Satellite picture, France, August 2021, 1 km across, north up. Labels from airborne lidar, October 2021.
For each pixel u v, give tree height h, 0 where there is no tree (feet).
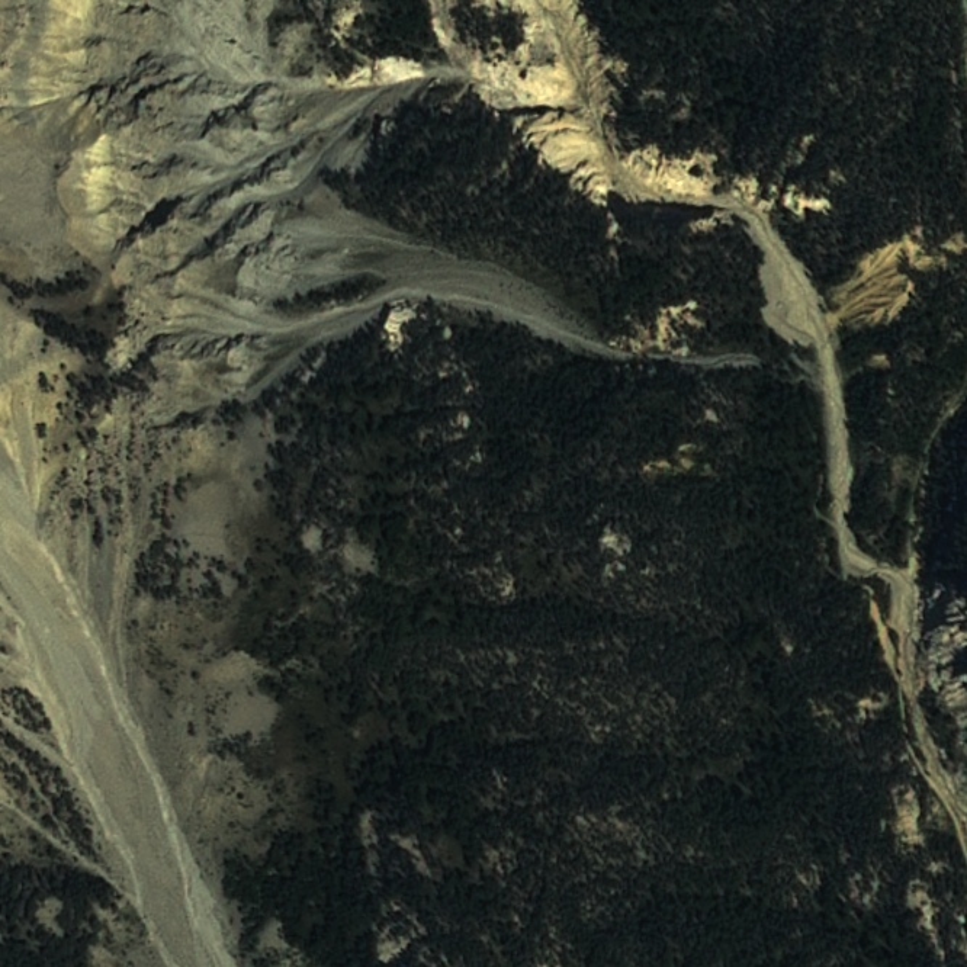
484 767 43
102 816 0
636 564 32
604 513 34
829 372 0
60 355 0
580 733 45
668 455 28
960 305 26
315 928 29
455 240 27
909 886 32
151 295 0
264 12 0
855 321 0
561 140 0
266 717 0
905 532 25
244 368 0
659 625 32
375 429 47
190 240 0
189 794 0
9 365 0
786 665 24
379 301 0
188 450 0
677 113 56
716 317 37
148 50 0
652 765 36
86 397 45
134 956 0
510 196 39
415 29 37
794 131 51
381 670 61
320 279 0
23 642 0
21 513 0
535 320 0
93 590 0
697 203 0
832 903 100
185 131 0
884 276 0
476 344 31
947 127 40
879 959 89
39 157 0
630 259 51
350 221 0
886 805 22
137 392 19
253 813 0
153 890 0
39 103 0
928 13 25
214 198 0
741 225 39
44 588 0
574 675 40
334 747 0
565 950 35
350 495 31
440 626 74
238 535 0
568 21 0
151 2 0
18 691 27
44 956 50
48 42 0
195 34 0
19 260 0
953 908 38
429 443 28
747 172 42
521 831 44
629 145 28
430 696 70
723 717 34
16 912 44
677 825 47
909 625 0
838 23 49
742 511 53
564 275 23
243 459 0
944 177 68
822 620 45
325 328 0
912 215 23
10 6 0
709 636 22
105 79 0
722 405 25
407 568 23
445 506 22
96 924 53
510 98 0
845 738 43
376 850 25
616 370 28
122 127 0
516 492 43
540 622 49
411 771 92
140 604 0
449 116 24
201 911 0
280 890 26
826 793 43
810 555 37
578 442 32
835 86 42
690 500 37
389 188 49
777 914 59
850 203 42
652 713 34
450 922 39
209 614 0
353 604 32
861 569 0
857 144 50
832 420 0
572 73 0
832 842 20
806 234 44
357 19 28
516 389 28
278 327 0
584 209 52
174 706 0
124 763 0
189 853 0
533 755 46
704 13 35
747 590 30
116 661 0
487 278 0
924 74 56
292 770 0
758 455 34
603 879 38
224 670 0
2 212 0
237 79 0
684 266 46
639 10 80
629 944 42
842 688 33
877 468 23
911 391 36
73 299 0
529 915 35
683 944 43
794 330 0
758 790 85
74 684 0
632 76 24
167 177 0
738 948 25
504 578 24
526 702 29
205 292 0
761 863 31
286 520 25
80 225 0
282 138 0
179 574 21
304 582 0
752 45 46
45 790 29
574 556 43
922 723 0
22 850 0
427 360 36
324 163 0
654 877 53
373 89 0
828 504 28
